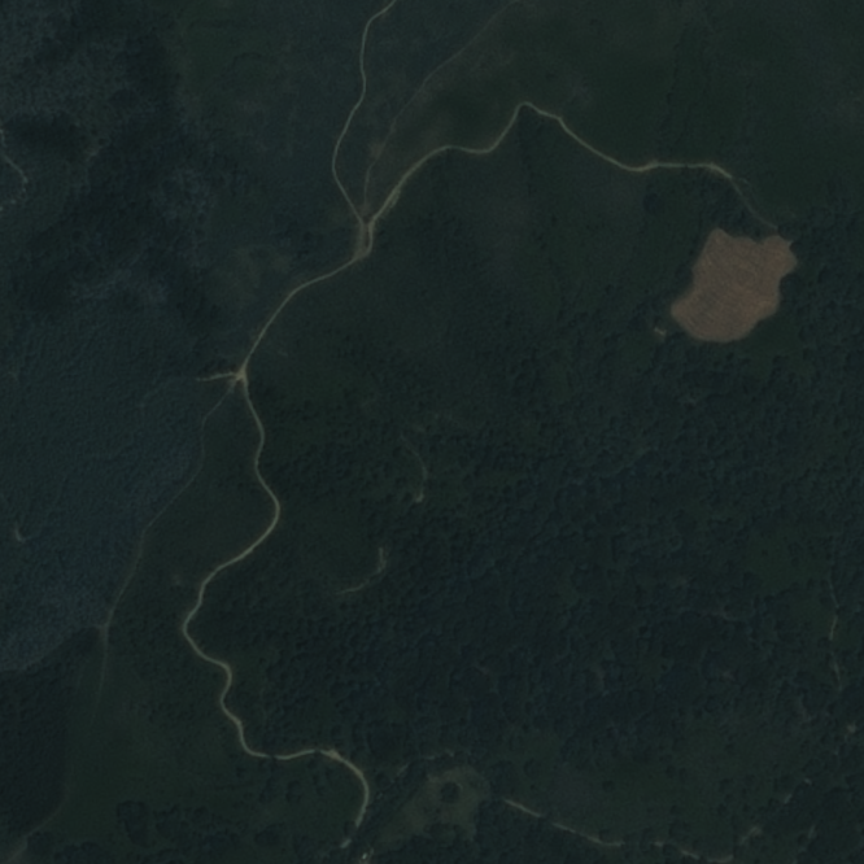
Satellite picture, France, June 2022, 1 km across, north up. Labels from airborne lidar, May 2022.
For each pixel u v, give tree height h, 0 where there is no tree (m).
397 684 30
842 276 18
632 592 22
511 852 23
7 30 15
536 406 12
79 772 0
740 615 21
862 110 0
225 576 9
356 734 11
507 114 0
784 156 0
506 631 29
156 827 9
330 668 11
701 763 0
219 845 26
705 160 0
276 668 15
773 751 0
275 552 6
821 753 8
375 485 7
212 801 0
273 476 8
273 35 0
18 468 26
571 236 0
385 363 13
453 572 19
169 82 24
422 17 0
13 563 26
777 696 18
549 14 0
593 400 15
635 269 0
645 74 0
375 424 11
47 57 25
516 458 22
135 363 14
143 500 24
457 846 11
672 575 23
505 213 0
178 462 27
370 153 0
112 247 31
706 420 22
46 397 19
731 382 21
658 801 0
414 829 0
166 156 25
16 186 13
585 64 0
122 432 26
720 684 29
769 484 25
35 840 13
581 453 21
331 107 0
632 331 8
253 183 17
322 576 8
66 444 20
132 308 15
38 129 31
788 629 16
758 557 0
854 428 17
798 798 17
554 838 21
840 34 0
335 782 13
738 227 8
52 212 13
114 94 13
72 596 24
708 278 0
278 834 19
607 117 0
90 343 8
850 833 24
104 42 23
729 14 0
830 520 16
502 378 8
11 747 11
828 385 19
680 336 13
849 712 25
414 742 9
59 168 16
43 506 25
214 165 22
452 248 7
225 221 0
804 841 15
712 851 0
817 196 0
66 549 23
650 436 17
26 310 11
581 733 20
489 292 8
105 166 25
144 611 9
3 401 16
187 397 15
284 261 0
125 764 0
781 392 24
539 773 11
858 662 19
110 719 0
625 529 10
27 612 27
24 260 25
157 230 27
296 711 23
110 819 0
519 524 23
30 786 13
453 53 0
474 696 28
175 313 21
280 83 0
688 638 30
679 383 15
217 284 0
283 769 17
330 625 16
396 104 0
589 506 26
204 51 0
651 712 28
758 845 15
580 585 20
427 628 24
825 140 0
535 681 14
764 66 0
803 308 16
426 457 6
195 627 12
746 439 23
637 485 35
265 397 9
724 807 11
